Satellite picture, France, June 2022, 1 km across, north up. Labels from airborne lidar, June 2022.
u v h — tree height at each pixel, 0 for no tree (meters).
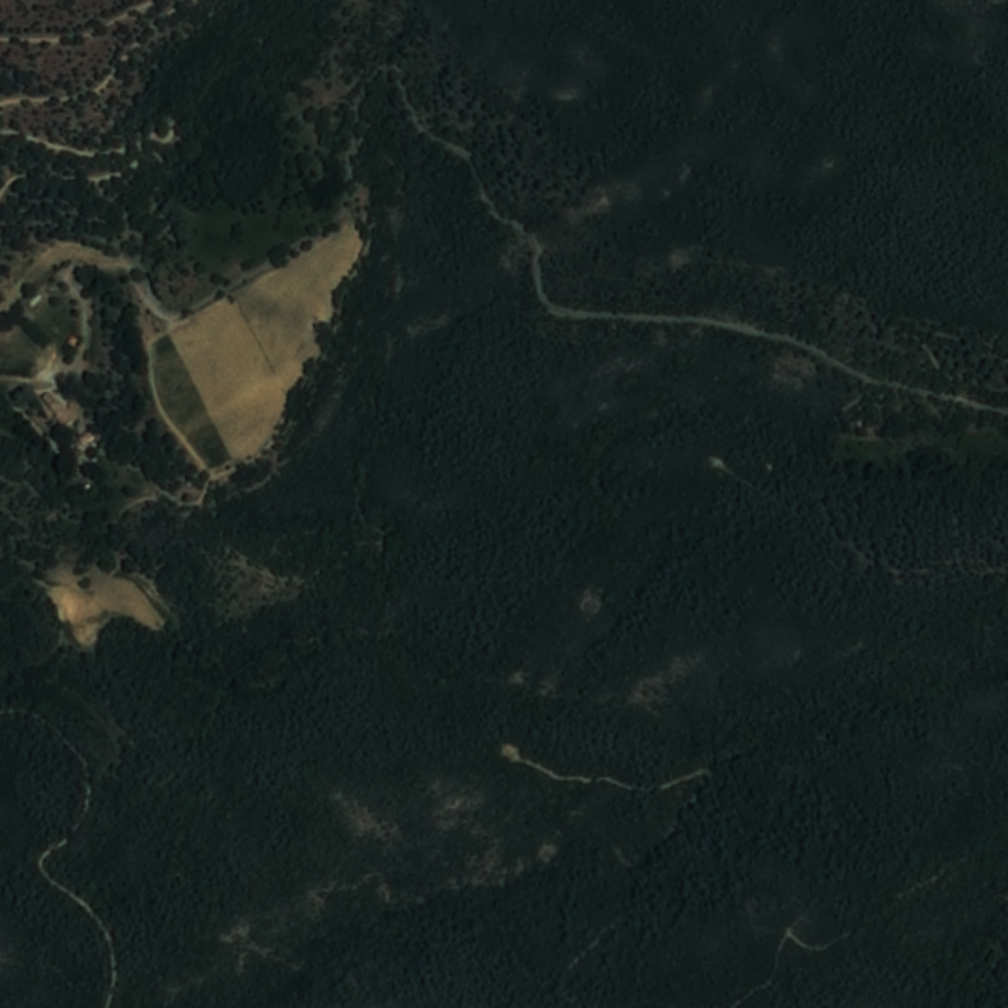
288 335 0
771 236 5
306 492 6
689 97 13
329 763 7
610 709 10
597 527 7
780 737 13
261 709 8
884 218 12
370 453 11
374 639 8
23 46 10
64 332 0
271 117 8
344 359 8
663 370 6
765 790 9
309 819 9
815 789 9
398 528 13
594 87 11
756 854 7
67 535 11
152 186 13
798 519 10
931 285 14
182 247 16
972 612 8
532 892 8
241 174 12
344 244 0
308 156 13
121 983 8
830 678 9
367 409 11
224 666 12
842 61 11
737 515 10
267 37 13
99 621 0
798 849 6
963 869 10
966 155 8
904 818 12
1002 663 12
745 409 5
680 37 9
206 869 7
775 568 5
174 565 11
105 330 10
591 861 6
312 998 7
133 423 12
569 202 5
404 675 9
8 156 14
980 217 13
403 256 6
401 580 10
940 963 12
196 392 0
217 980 7
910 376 8
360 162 11
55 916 11
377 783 7
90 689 6
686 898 16
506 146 15
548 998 12
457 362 13
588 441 12
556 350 12
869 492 19
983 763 11
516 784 7
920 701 9
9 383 0
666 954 6
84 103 11
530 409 12
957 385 10
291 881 6
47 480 13
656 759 12
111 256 14
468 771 7
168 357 0
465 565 17
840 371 7
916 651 8
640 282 7
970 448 0
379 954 7
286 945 7
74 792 6
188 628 8
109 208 12
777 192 6
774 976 6
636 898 16
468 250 6
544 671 5
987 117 5
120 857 6
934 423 10
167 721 11
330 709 13
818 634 5
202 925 7
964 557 12
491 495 8
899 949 5
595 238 0
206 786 12
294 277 0
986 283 11
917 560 13
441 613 8
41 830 14
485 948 5
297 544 9
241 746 10
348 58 6
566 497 14
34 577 8
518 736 6
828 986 6
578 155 13
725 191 12
